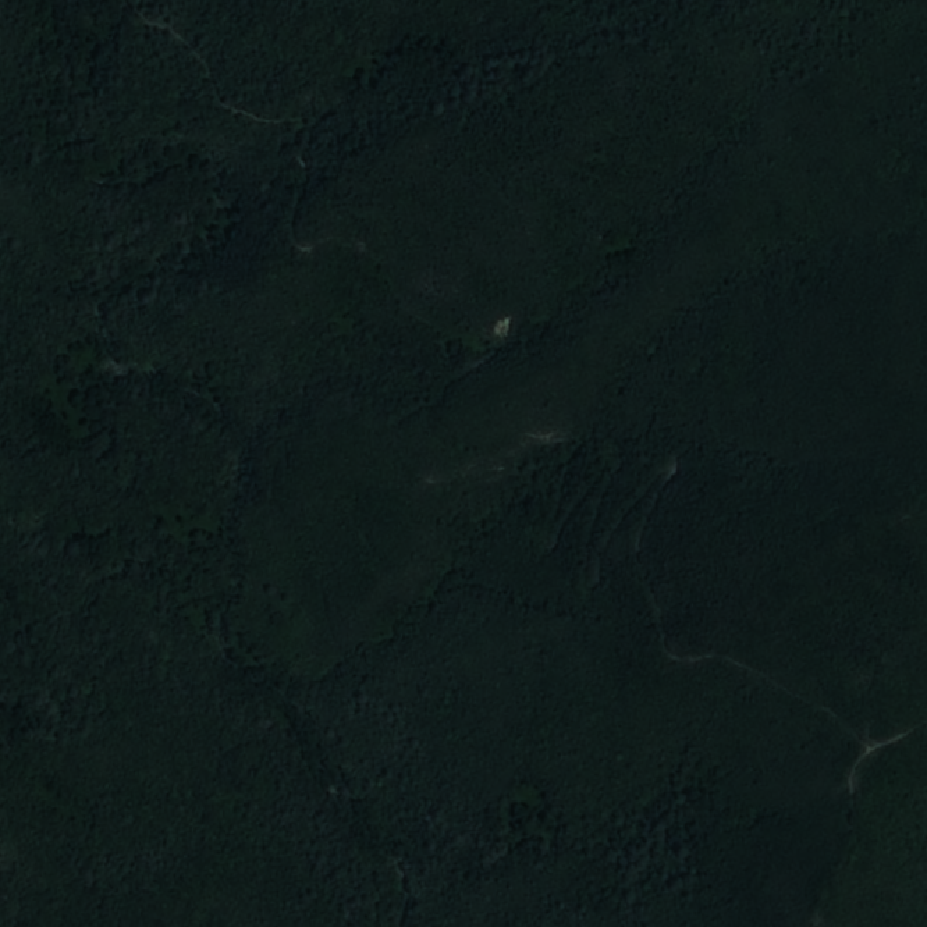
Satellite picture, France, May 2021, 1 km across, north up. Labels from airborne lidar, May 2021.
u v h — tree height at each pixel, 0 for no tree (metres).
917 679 6
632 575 7
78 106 22
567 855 21
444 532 7
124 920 16
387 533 6
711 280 7
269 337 9
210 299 9
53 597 19
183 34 5
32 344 17
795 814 7
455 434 6
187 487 15
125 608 19
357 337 6
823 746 6
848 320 6
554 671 8
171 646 11
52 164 17
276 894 12
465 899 7
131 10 15
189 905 11
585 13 9
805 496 6
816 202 6
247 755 15
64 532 22
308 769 16
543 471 7
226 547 19
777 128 5
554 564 7
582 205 7
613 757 7
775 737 8
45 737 18
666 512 8
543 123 6
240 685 18
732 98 7
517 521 7
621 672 6
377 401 7
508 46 14
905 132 8
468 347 11
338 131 13
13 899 8
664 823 23
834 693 7
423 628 8
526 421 6
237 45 11
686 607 6
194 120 10
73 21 23
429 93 12
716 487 10
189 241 10
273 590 17
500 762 8
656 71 5
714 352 6
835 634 7
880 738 6
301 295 5
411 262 7
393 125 12
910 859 6
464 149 8
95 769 10
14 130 18
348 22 16
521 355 12
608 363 9
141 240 11
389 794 10
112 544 23
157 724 13
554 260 6
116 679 18
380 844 25
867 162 7
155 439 13
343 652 6
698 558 9
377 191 7
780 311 6
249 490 17
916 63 5
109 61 14
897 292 6
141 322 8
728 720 7
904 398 6
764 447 7
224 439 15
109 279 21
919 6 6
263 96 9
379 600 7
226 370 14
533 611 12
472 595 9
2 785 10
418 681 7
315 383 18
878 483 7
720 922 8
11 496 6
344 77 19
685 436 8
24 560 15
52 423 23
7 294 11
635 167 6
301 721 26
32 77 9
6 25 8
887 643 6
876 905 6
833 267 7
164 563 13
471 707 8
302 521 6
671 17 12
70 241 17
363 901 16
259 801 17
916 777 6
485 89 18
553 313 6
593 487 7
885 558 7
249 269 11
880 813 7
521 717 7
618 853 24
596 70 7
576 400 6
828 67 6
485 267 5
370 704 11
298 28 10
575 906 10
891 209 6
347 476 5
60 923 13
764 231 6
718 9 14
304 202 13
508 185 9
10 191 6
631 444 18
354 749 13
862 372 6
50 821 14
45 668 18
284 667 11
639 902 9
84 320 17
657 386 6
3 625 17
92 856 15
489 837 17
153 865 19
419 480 6
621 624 8
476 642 8
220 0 15
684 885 16
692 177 13
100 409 19
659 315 6
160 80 13
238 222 17
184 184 14
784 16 7
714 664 8
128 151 16
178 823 11
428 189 7
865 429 6
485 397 6
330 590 6
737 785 6
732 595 6
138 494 17
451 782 11
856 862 8
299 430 10
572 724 9
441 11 12
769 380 5
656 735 6
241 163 7
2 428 17
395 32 15
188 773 12
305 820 11
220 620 22
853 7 15
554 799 9
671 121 10
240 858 17
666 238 8
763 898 5
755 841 6
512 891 7
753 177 7
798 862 6
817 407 6
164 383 26
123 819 16
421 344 15
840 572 7
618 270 19
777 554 6
